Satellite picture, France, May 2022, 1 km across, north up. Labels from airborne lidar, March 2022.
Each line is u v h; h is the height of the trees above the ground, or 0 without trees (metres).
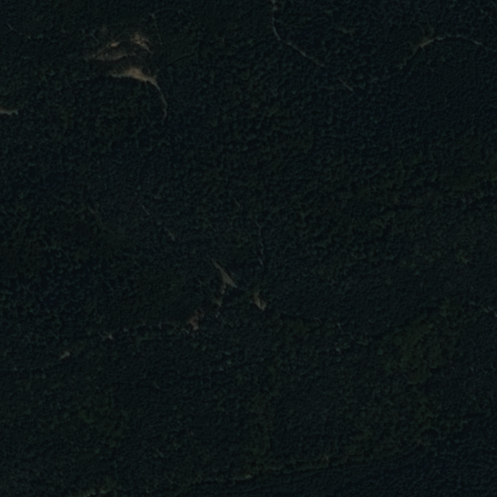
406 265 22
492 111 19
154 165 27
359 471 16
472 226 19
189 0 13
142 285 19
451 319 25
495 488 20
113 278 19
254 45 12
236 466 36
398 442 24
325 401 22
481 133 27
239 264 11
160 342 25
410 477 26
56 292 32
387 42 16
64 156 10
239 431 27
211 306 10
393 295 23
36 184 19
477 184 23
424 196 24
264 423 31
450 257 26
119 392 19
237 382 22
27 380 24
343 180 18
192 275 24
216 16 8
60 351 19
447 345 30
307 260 22
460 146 25
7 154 19
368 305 22
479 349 21
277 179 18
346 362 24
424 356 35
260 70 19
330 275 20
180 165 29
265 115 15
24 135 26
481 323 23
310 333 27
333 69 34
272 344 23
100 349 25
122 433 27
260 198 26
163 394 24
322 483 19
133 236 28
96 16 16
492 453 20
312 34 26
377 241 26
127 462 22
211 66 22
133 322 10
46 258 15
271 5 17
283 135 23
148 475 24
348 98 24
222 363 24
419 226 29
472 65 19
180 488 27
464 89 18
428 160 30
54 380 24
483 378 23
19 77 21
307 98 27
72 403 24
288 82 28
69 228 21
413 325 28
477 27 33
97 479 31
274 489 17
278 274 18
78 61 19
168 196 27
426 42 0
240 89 13
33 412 17
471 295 25
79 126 40
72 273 14
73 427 22
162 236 26
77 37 10
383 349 27
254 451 30
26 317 9
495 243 18
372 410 28
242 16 20
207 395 21
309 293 17
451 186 28
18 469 24
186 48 9
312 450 24
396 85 24
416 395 32
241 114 19
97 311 16
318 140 23
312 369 20
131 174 26
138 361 28
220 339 17
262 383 23
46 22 12
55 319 30
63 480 34
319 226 23
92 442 33
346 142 26
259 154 31
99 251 12
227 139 27
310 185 21
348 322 26
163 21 12
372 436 29
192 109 7
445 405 28
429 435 23
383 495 24
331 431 29
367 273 23
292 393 22
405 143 21
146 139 32
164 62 9
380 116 30
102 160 26
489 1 28
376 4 34
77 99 24
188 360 26
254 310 25
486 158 31
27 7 11
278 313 18
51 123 25
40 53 19
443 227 25
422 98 24
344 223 14
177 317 12
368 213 15
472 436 25
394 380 29
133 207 27
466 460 28
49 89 27
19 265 10
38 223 20
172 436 24
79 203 33
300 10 22
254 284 29
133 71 0
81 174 33
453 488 33
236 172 27
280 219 12
